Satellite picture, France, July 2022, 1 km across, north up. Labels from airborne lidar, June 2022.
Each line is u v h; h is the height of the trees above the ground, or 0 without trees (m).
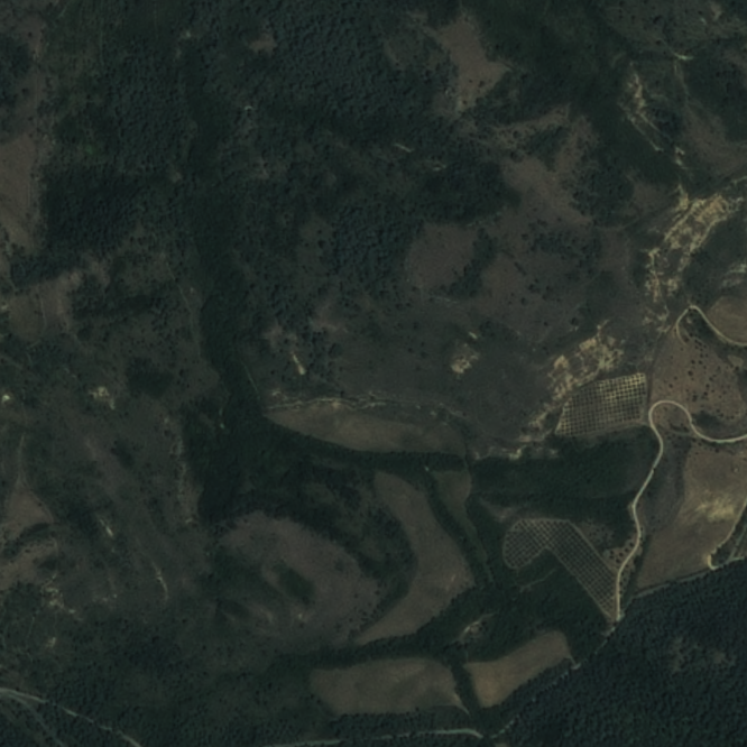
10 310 0
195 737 7
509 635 7
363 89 15
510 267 0
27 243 0
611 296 0
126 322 11
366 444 0
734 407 0
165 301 15
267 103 11
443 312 0
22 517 0
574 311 0
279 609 0
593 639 13
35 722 12
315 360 8
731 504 0
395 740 10
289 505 7
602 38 8
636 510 0
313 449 7
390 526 7
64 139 10
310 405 0
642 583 0
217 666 0
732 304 0
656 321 0
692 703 17
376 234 8
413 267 0
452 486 0
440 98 0
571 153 0
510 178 0
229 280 10
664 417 0
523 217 0
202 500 10
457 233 0
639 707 8
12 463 0
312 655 7
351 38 14
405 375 0
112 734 15
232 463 12
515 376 0
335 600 0
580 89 9
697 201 0
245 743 10
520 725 13
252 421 11
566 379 0
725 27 0
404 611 0
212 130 10
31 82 0
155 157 16
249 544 0
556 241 10
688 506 0
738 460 0
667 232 0
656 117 6
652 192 0
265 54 6
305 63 16
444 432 0
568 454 8
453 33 0
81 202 8
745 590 12
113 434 0
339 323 0
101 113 11
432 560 0
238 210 5
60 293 0
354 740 12
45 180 6
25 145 0
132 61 13
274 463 6
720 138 0
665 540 0
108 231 14
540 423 0
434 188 8
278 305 13
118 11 8
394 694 0
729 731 9
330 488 7
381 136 6
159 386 9
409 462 11
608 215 8
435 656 6
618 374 0
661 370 0
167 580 0
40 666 9
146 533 0
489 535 10
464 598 10
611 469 6
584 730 13
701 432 0
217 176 9
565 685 9
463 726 8
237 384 11
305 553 0
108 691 8
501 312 0
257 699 6
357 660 8
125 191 12
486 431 0
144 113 17
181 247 16
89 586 0
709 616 14
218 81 10
